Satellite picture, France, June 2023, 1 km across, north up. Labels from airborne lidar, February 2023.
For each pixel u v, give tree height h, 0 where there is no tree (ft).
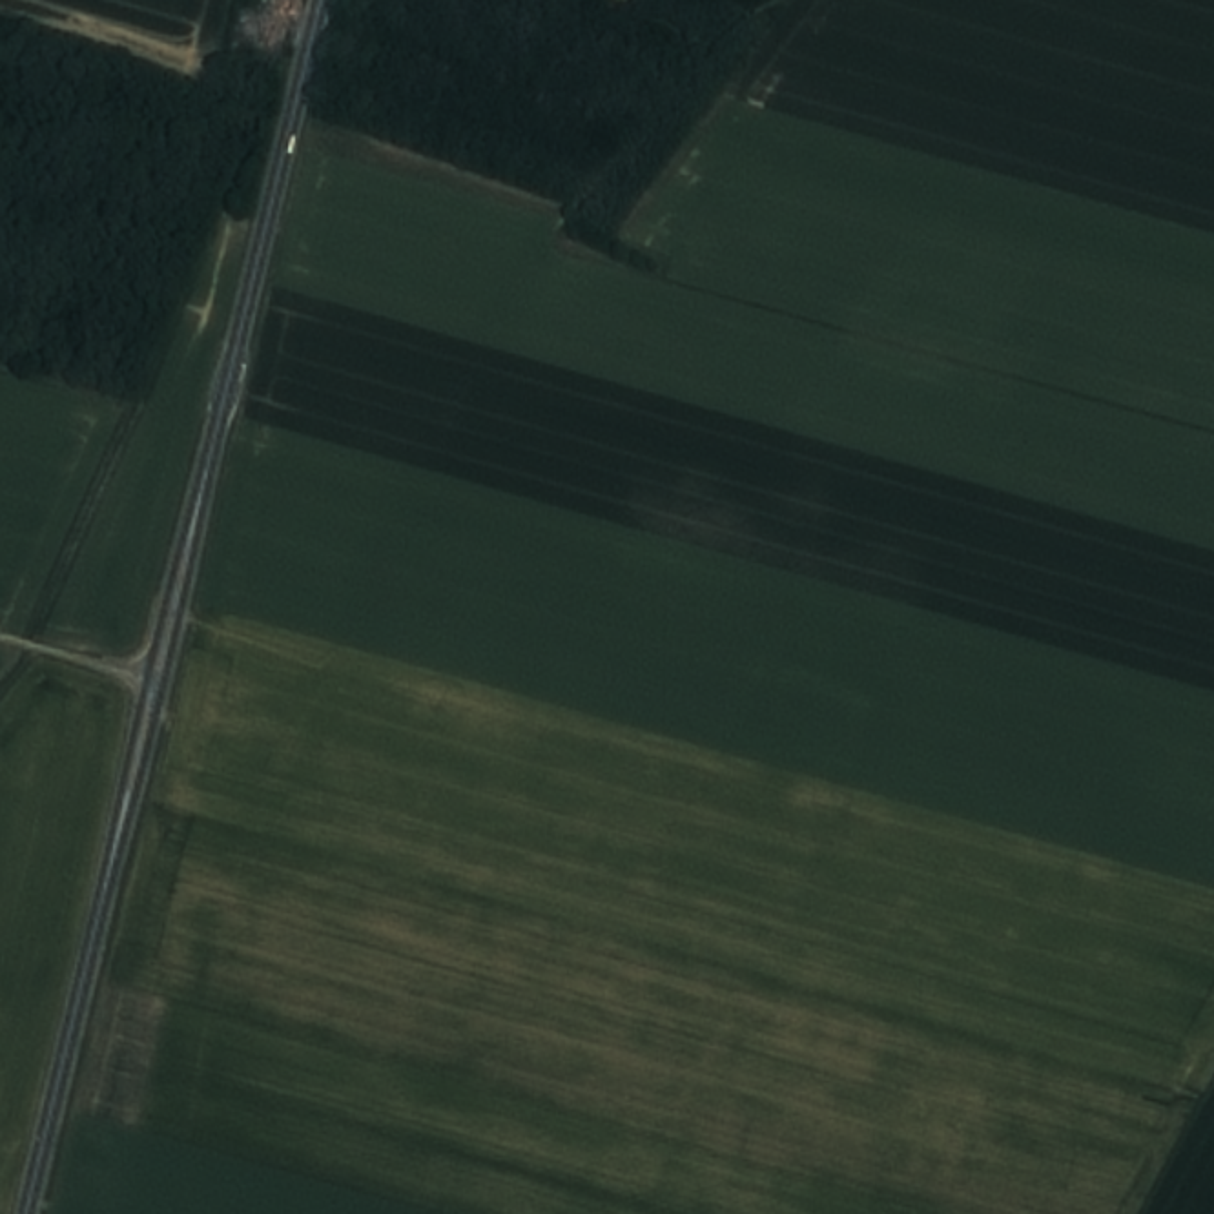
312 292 0
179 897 0
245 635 0
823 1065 0
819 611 0
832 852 0
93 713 0
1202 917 0
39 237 78
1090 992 0
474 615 0
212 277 0
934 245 0
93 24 0
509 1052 0
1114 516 0
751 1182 0
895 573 0
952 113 0
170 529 0
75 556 0
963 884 0
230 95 70
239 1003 0
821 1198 0
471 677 0
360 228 0
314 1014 0
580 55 60
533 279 0
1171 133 0
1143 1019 0
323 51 64
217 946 0
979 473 0
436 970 0
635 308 0
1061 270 0
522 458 0
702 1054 0
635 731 0
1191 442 0
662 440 0
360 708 0
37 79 76
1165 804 0
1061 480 0
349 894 0
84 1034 0
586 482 0
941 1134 0
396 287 0
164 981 0
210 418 0
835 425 0
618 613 0
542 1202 0
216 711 0
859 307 0
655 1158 0
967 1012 0
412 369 0
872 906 0
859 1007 0
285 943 0
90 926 0
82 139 81
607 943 0
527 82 58
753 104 0
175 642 0
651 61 41
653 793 0
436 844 0
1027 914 0
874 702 0
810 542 0
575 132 61
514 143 47
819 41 0
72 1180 0
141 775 0
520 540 0
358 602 0
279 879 0
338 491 0
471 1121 0
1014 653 0
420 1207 0
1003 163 0
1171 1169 0
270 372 0
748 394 0
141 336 59
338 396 0
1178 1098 0
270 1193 0
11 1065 0
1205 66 0
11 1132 0
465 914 0
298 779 0
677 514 0
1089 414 0
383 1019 0
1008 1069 0
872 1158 0
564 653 0
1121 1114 0
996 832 0
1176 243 0
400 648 0
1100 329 0
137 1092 0
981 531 0
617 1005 0
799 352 0
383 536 0
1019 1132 0
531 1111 0
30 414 0
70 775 0
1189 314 0
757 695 0
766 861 0
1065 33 0
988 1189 0
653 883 0
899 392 0
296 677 0
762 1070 0
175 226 73
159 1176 0
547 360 0
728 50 45
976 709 0
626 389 0
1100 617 0
